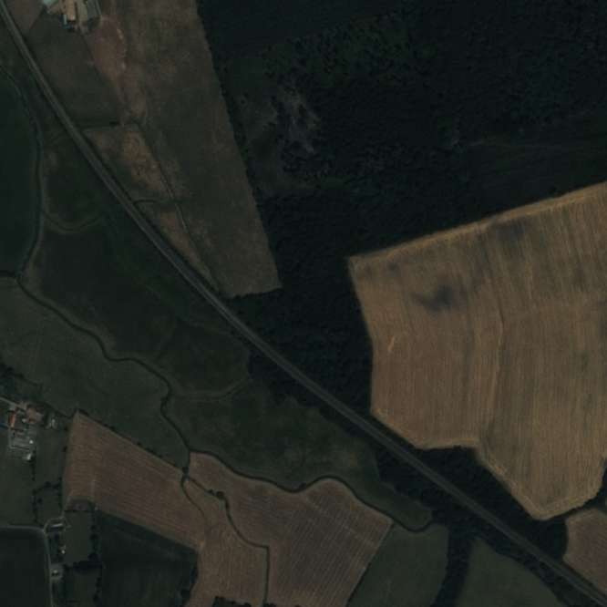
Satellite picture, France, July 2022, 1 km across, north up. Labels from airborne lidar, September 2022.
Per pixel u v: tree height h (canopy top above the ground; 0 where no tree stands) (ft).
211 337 0
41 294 0
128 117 0
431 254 0
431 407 0
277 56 0
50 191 0
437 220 40
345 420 34
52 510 0
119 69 0
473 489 43
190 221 0
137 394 0
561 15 53
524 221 0
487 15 53
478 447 0
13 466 0
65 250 0
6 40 0
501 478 0
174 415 0
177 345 0
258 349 25
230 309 26
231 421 0
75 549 0
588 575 0
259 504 0
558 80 31
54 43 0
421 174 50
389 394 0
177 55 0
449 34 58
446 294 0
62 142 0
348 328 50
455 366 0
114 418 0
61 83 0
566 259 0
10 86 0
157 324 0
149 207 0
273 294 28
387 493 0
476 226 0
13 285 0
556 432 0
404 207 73
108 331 0
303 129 64
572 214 0
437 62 69
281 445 0
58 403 0
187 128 0
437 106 69
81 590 0
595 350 0
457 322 0
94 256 0
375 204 59
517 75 54
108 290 0
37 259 0
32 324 0
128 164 0
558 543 58
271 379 71
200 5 18
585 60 23
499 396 0
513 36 54
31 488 0
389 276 0
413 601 0
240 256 0
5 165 0
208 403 0
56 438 0
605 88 52
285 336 53
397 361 0
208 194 0
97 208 0
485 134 19
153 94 0
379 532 0
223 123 0
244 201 0
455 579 46
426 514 0
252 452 0
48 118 0
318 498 0
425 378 0
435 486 28
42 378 0
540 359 0
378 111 22
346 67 56
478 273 0
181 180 0
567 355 0
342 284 18
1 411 0
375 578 0
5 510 0
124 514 0
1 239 0
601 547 0
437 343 0
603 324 0
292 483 0
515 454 0
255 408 0
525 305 0
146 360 0
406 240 30
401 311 0
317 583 0
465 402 0
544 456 0
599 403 0
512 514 26
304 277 19
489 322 0
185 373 0
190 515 0
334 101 55
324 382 42
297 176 76
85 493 0
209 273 0
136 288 0
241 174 0
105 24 0
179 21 0
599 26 60
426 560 0
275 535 0
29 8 0
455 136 59
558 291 0
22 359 0
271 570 0
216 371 0
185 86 0
